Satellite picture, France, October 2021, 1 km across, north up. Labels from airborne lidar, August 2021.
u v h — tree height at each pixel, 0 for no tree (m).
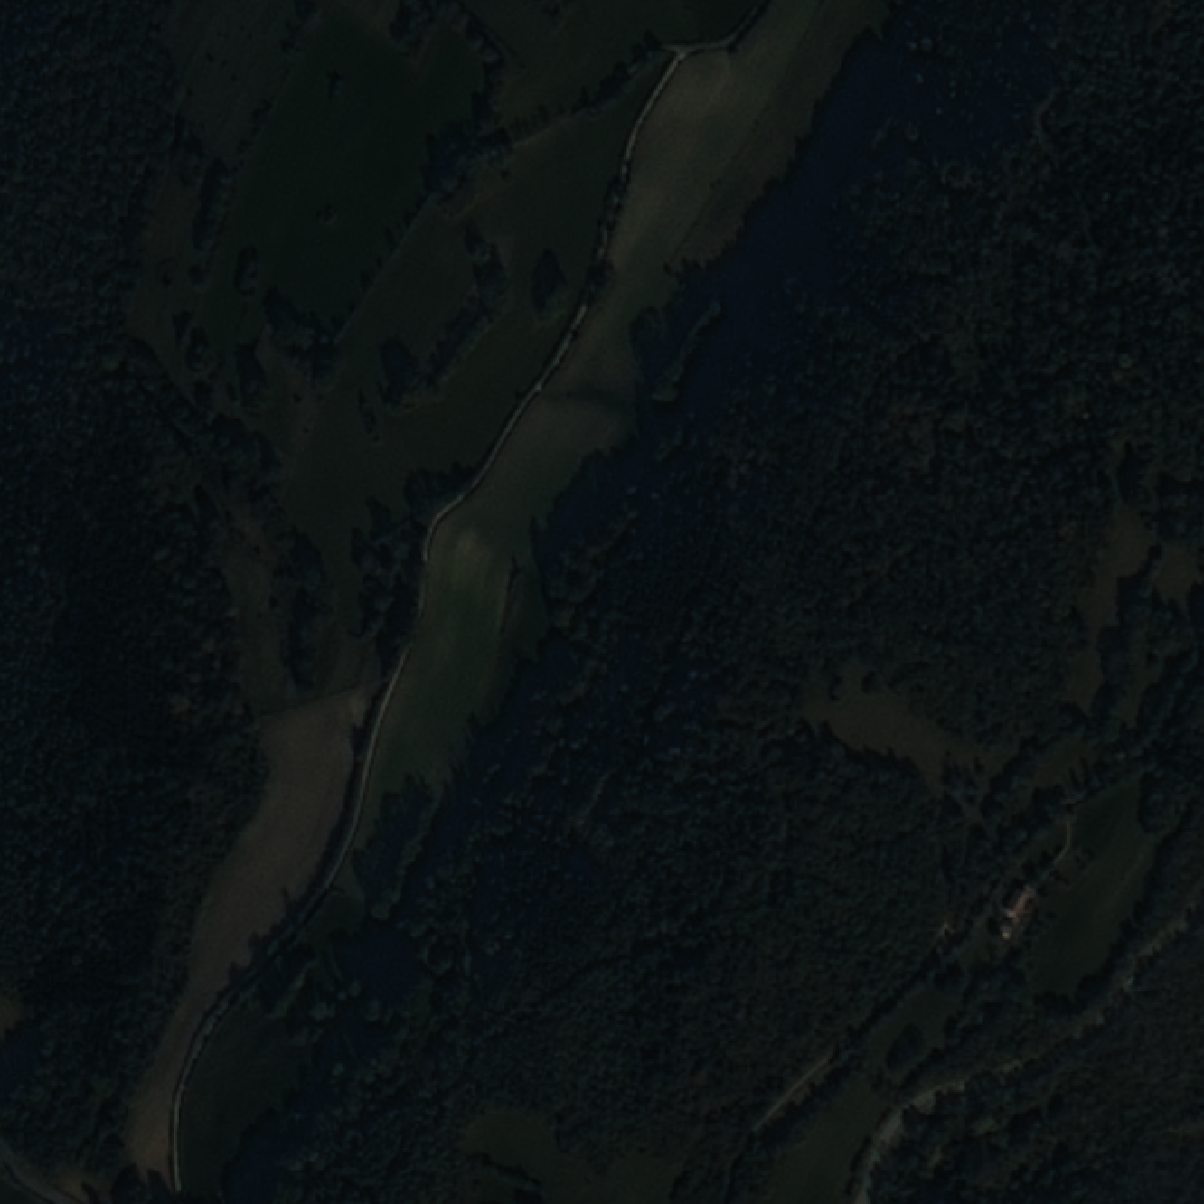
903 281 21
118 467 17
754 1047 18
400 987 16
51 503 16
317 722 0
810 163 0
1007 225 18
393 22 0
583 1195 0
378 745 0
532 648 0
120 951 21
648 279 0
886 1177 15
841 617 24
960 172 28
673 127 0
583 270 0
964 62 8
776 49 0
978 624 22
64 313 8
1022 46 7
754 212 0
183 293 0
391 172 0
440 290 0
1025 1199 25
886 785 12
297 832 0
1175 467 19
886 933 13
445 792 0
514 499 0
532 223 0
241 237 0
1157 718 19
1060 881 9
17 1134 18
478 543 0
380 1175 17
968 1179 23
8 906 23
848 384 22
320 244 0
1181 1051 22
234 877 0
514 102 0
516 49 0
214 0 0
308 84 0
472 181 15
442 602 0
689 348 17
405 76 0
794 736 10
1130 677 22
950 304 15
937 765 0
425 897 22
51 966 18
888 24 0
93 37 17
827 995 19
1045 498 27
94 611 15
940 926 10
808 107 0
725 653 17
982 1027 11
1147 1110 26
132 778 22
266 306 0
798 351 34
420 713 0
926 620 23
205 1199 0
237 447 21
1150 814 15
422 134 0
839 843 18
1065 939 0
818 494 15
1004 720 16
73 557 14
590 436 0
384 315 0
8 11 13
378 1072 19
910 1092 17
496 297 18
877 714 0
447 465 0
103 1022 17
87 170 8
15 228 9
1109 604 0
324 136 0
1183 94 23
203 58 0
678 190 0
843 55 0
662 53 12
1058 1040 17
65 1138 20
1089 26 15
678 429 20
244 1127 0
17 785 22
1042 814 11
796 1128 17
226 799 21
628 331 0
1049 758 12
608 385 0
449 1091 16
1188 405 22
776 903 11
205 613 17
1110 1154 24
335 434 0
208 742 16
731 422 31
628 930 21
